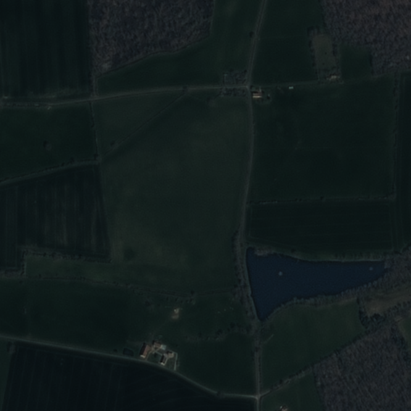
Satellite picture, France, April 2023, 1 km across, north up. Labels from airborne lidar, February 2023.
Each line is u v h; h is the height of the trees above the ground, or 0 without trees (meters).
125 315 0
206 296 0
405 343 20
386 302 0
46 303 0
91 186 0
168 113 0
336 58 16
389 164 0
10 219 0
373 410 26
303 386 0
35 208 0
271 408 0
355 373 25
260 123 0
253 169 0
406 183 0
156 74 0
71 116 0
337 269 0
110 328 0
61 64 0
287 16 0
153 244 0
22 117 0
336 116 0
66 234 0
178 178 0
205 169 0
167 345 0
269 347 0
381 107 0
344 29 10
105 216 0
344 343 0
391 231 0
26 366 0
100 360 0
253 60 0
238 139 0
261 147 0
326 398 17
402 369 16
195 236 0
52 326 0
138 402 0
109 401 0
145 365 0
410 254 12
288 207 0
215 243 0
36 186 0
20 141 0
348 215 0
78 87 0
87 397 0
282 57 0
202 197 0
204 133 0
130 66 0
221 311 0
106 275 0
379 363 26
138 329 0
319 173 0
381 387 23
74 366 0
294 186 0
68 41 0
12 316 0
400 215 0
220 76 0
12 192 0
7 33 0
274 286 0
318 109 0
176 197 0
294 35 0
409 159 0
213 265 0
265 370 0
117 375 0
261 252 13
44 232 0
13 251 0
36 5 0
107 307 0
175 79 0
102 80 0
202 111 0
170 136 0
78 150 0
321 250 0
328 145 0
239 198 0
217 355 0
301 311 0
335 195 0
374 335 19
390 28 18
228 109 0
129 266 0
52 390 0
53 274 0
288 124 0
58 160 0
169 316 0
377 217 0
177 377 0
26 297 0
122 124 0
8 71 0
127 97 0
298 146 0
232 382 0
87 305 0
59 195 0
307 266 0
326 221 0
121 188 0
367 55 0
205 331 0
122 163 0
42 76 0
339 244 0
